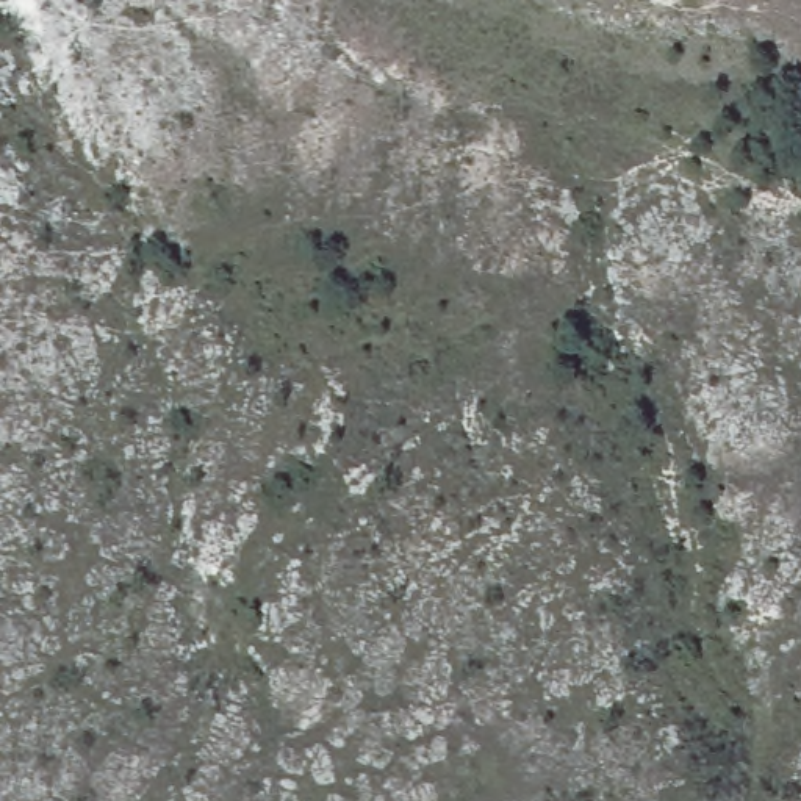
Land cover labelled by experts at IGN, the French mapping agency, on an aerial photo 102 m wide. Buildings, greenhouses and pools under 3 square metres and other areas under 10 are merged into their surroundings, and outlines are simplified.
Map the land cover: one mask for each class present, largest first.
<instances>
[{"label":"herbaceous vegetation","instance_id":"1","mask_svg":"<svg viewBox=\"0 0 801 801\"><path fill-rule=\"evenodd\" d=\"M344 6H350V13H357V22L369 19L379 25L404 28V38L416 44V53H426V69L435 75V81L447 72H454L457 78H494V88L485 100H501L504 116L497 122L501 128H516L519 160L526 166H535L554 185L566 188L579 210L573 232L563 241L566 269L557 275L472 272L469 260L457 250V235L463 232V213L457 210V200L429 203L422 185H413L410 191L397 194V203H407V213L388 222V153L401 147V138L375 144L379 169L372 172L366 194L350 200L347 207H325L319 194L307 191L304 178L297 185H288L275 175V188L260 194L244 191L241 185H219L216 178L203 175L207 194L191 197V213L210 219V225L188 232V247H178L163 232L156 213H131L128 207L106 210V188L119 181L116 153H110L103 166H88L81 141L72 144V153H63L56 147V116L63 113L56 100L59 88L53 84L41 94L19 91V78L31 69L25 44L28 31L22 28L19 16L0 9V47L13 50L16 59V69L9 72V97L16 103H6L0 113V225L25 235L38 247H116L125 257L113 288L97 300H91L81 282L69 278L25 275L13 282L16 294H34L38 288H50V307L34 304V313H44L53 322L84 316L88 325L110 329V341L94 344L100 357L97 397H88V382H75L78 401L72 426L84 429L88 435V444H78V451H84L88 460H110L122 476L110 507H94L78 519V526H84L88 532L103 516L138 513L144 535H163L147 566L160 576V585L175 588L172 607L181 620V645L216 635V648L197 651L191 660L144 654L138 641L147 629V613L153 610L156 585H150L141 594H128L122 607H113L110 598H100V585H88L84 598H94V607H84L78 601L72 607H59L56 613L59 651H41L44 670L72 666L75 654L84 651L103 660H119V670H106V663L100 660L78 666L84 682L75 685L69 695H75V704L84 717H91L94 704L103 713L106 732L94 735V748L78 751L84 763L72 779L75 785H94V773L103 770V760L110 754H138L147 760H160L163 770L156 776H141L138 782L141 801H357L360 792L354 785H344V776H369L372 792H379L385 779H401L404 785L410 779V767L401 760H388V767L382 770L360 763V751L366 742V735L360 732L347 735L344 748H338L332 742V729L344 723V710H329L325 717H319L316 726L300 729L272 707L269 676L275 670H322V676L332 685L329 695L344 698V679L363 670V660L354 654L357 641L379 645V638H391L394 648L404 651L407 641L432 645L438 641V635H447L451 670L463 666L469 657H482L485 670L476 673L469 682L451 673L447 695L457 707L451 726H426V732L416 738L382 742V748L394 754H413L416 748H429L435 738H444L447 757L441 763L422 767V779L435 785V801H801V582L782 598L779 620L767 623L770 635L763 638V651L770 657V685L773 691H782V701L773 704V710L751 713L748 663L729 638V626L738 623V616L729 613L726 604H717L720 588L732 576L735 560L742 557V535L738 523L717 516V507L710 513H701V501L717 504L723 494L748 491L751 507L763 516L770 513L773 501L782 504V516L795 519L792 554L801 563V438H785L782 454L773 460L767 472H745L742 466H707V479H698L688 469L679 472V519L688 529H695L704 541L701 551H691L695 573H688V610L698 616V629L676 632L673 638L651 645L648 657L641 651L626 654L623 673L629 688L660 698V713L654 717L651 707H641L645 720L626 713L616 732L604 735L610 707H598V691L591 685H573L566 698L554 701H544V688L554 679H560V670L588 673L591 657L601 648L613 645L610 623L604 613H598V598L601 591H632V538H620V544L598 541V551H588V535L576 541L563 538V526L569 519H585L588 513L601 510L598 479L579 466V460L563 457V451L548 438V429L504 435V429H494V422L479 416V429H482V435H485V441H488V447H476V444H469V435H466V429H463V407H466V404H476V407H479V397L488 394L491 401L523 407L526 375H532L535 369L544 379V385H569L573 379H585V363L601 366V354L591 350L585 341L591 338V316L573 307L585 300L588 285H594L598 291L607 282V247L623 244V228L610 219V210L616 203V175L660 153L654 144H645L648 135L670 141L676 131L691 141L701 131H707L723 116V110L732 106L738 94H745V88L757 78L748 50L751 41H757L745 22L735 25L742 38H726L713 25H707V34H688L682 41L685 53L679 56V63H673V38L663 28H654L651 22H635L620 34L601 25H585L582 19H566L541 0H341ZM144 272H156L160 285L166 288H188L197 297L222 300V310L216 313L213 325L216 341L235 335V347H244L247 357L260 354V375H269L278 388L269 404V413L263 416V432H250V426L238 422L232 404H241L244 394L228 385L219 388L216 404L191 410L194 426H185L175 410H181L188 397L203 401L210 388H181V382H166V369L156 357V338L144 335L138 322L141 307H135V294H141ZM322 366H332L335 379L344 385V394L332 404V410L344 413L341 426L347 429V435H332L325 454H316L313 463H307L304 457H285L278 469H266L275 444H304L319 438L316 404L325 388ZM160 401H172L175 410L163 422L169 429V454L163 463V476L169 479V501L175 504V519H169L166 491L150 504L138 501V485H150L153 457H125V447L135 441V426L122 419L119 410L135 407L138 419H147L160 407ZM354 466H366L375 476L366 494H350L344 485V476ZM238 482H247V494L257 504V526L247 535V541L235 551V557L222 560V566L235 573V582L222 585L216 576H210L207 623L197 626L191 616V598L194 579L200 573L194 566L172 563L175 538L181 532V504L185 497L194 501V538L203 541L207 526L219 516H225L222 535H235L241 513L232 501V488ZM523 501H529V504H532V510H529V513H526V519L519 523V541H516V544H507L504 551H497L491 538H497V535L510 532V523L516 519V510L523 507ZM288 560H300V582L307 585V594H300L297 601V623L282 629V641H263V607L253 610V598H260L263 604L282 601L278 573L288 569ZM241 682L247 685L241 717L247 723V735L260 742V751H244L241 757L222 754L200 760L197 754L210 742L213 717L225 710L228 691ZM307 748H322L332 757V782L319 785L313 776H291L278 770L275 754L297 763L307 757ZM754 197L748 188H726L713 200L707 191L695 197L704 210V219L710 222L713 266H723L726 291H735L742 297L738 310L763 329V366L757 375L770 385L776 382V375H785L788 413L801 419V369L792 360H779L776 325L782 316H801V297H795V304H782L767 291L763 282H751L738 272V263L748 250L745 207Z\"/></svg>","mask_w":801,"mask_h":801},{"label":"bare soil","instance_id":"2","mask_svg":"<svg viewBox=\"0 0 801 801\"><path fill-rule=\"evenodd\" d=\"M0 9L19 16L22 28L28 31L25 44L31 69L19 78V91L41 94L53 84L59 88L56 100L63 113L56 116V147L63 153H72V144L81 141L88 166H103L110 153H116L119 181L106 188V210L128 207L131 213H156L163 232L178 247H188V232L210 225V219L191 213V197L207 194L203 175L216 178L219 185H241L244 191L260 194L275 188V175L288 185H297L304 178L307 191L319 194L325 207H347L350 200L366 194L372 172L379 169L375 144L401 138V147L388 153V222L407 213V203H397V194L410 191L413 185H422L429 203L457 200V210L463 213V232L457 235V250L469 260L472 272L557 275L566 269L563 241L573 232L579 210L566 188L554 185L535 166H526L519 160L516 128H501L497 122L504 116L501 100H485L494 88V78H457L454 72H447L435 81V75L426 69V53H416V44L404 38V28L379 25L369 19L357 22V13H350V6H344L341 0H0ZM566 19H582L585 25H601L620 34L635 22H651L654 28H663L673 38V63H679V56L685 53L682 41L688 34H707V25H713L726 38H742L735 25L745 22L757 41H773L782 59L801 63V0H541ZM16 69V59L13 50L0 47V113L6 103H16L9 97V72ZM645 144H654L660 153L616 175V203L610 210V219L623 228V244L607 247V282L616 300L610 335L616 338L623 354L635 350L645 357L638 410L648 432L663 435V444L657 451L641 447V457L648 460L638 463V476L654 482V494L660 501V516L666 519L670 538L682 541L685 551H701L704 541L695 529H688L679 519V472L688 469L698 479H707V466H742L745 472H767L773 460L782 454L785 438H801V419L788 413L785 375H776V382L770 385L757 375L763 366V329L738 310L742 297L735 291H726L723 266H713L710 222L704 219V210L695 197L707 191L713 200L726 188H748L754 197L745 207L748 250L738 263V272L751 282H763L767 291L782 304H795V297H801V194H792L788 185L763 191L757 178L729 169L710 153L701 160L704 175L691 178L685 175L682 163L691 156V141L676 131L670 141L648 135ZM125 257L116 247H38L25 235L0 225V801H141L138 782L141 776H156L163 770L160 760H147L138 754H110L103 760V770L94 773V785H75L72 779L84 763L78 751L94 748V735L106 732L103 713L94 704L91 717H84L75 704V695H69L75 685L84 682L78 666L100 660L106 663V670H119V660H103L84 651L75 654L72 666L44 670L41 651H59L56 613L59 607H72L78 601L84 607H94V598H84L88 585H100V598H110L113 607H122L128 594H141L150 585H156L153 610L147 613V629L138 641L144 654L191 660L197 651L216 648V635L181 645V620L172 607L175 588L160 585V576L147 566L163 535H144L138 513L103 516L88 532L84 526H78V519L94 507L84 497V479L78 476L88 460L84 451H78V444H88V435L84 429L72 426L78 401L75 382H88V397H97L100 357L94 344L110 341V329L88 325L84 316L53 322L44 313H34V304L50 307V288H38L34 294H16L13 282L25 275L69 278L81 282L91 300H97L113 288ZM135 307H141L138 322L144 335L156 338V357L166 369V382H181V388H210L203 401L188 397L181 410H175L185 426H194L191 410L216 404L219 388L228 385L244 394L241 404H232L238 422L250 426V432H263V416L269 413V404L278 388L269 375H260V354L247 357L244 347H235V335L216 341L213 325L216 313L222 310V300L197 297L188 288H166L160 285L156 272H144L141 294H135ZM779 360H792L801 369V316H782L776 325ZM325 388L316 404L319 438L304 444H275L266 469H278L285 457H304L307 463H313L316 454H325L332 435H347V429L341 426L344 413L332 410V404L344 394V385L335 379L332 366H322ZM175 410L172 401H160V407L147 419H138L135 407L119 410L122 419L135 426V441L125 447V457H153L150 485H138V501L150 504L166 491L169 519H175V504L169 501V479L163 476V463L169 454V429L163 422ZM463 429H466V435H469V444H476V447H488V441H485V435H482V429H479V407H476V404H466V407H463ZM375 476L366 466H354L344 476V485L350 494H366ZM232 501L241 513L235 535H222L225 516H219L207 526L203 541L194 538V501L185 497L181 504V532L175 538L172 563L194 566L200 573L194 579L191 598V616L197 626L207 623L210 576H216L222 585L235 582V573L222 566V560L235 557V551L247 541V535L257 526V504L247 494V482H238L232 488ZM748 491L723 494L717 504L701 501V513H710L717 507V516L738 523L742 535V557L735 560L732 576L720 588L717 604H726L729 613L738 616V623L729 626V638L748 663L751 713L773 710V704L782 701V691H773L770 685V657L763 651V638L770 635L767 623L779 620L782 598L801 582V563L792 554L795 519L782 516V504L773 501L770 513L763 516L751 507ZM529 510H532V504H529V501H523V507L516 510V519L510 523V532L497 535V538H491L497 551H504L507 544H516V541H519V523L526 519V513H529ZM300 594H307V585L300 582V560H288V569L278 573L282 601L263 604L260 598H253V610L263 607V641H282V629L297 623V601ZM613 645L601 648L591 657L588 673L560 670V679H554L544 688V701H554L566 698L573 685H591L598 691V707H610L604 735L616 732L626 713L645 720L641 707H651L654 717L660 713V698L629 688L623 673L626 654L641 651L648 657L651 645L648 638H626L616 623H610ZM354 654L363 660V670L344 679V698L329 695L332 685L322 676V670H275L269 676L272 707L300 729L316 726L319 717H325L329 710H344V723L332 729V742L338 748H344L347 735L360 732L366 735V742L360 751V763L382 770L388 767V760H401L410 767V779L404 785L401 779H385L379 792H372L369 776H344V785H354L360 792L357 801H435V785L422 779V767L441 763L447 757L444 738H435L429 748H416L413 754H394L382 748V742L416 738L426 732V726H451L457 707L447 695L451 673L469 682L476 673L485 670L482 657H469L463 666L451 670L447 635H438V641L432 645L407 641L404 651L394 648L391 638H379V645L357 641ZM247 685L241 682L228 691L225 710L213 717L210 742L197 754L200 760L222 754L241 757L244 751H260V742L247 735V723L241 717ZM278 770L291 776H313L319 785L332 782V757L322 748H307V757L297 763L275 754Z\"/></svg>","mask_w":801,"mask_h":801},{"label":"brushwood","instance_id":"3","mask_svg":"<svg viewBox=\"0 0 801 801\"><path fill-rule=\"evenodd\" d=\"M591 316V338L585 341L591 350L601 354V366L585 363V379H573L569 385H544V379L535 369L532 375H526L523 407L491 401L488 394L479 397V416L494 422V429H504V435L548 429V438L563 451V457L579 460V466L598 479L601 510L588 513L585 519H569L563 526V538L576 541L588 535V551H598V541L620 544V538H632V591H601L598 598V613H604L610 623H616L626 638H648L651 645L673 638L676 632L698 629V616L688 610V573H695L691 551H685L682 541L670 538L666 519L660 516V501L654 494V482L638 476V463L648 460L641 457V447L657 451L663 444V435L648 432L638 410L645 357L635 350L623 354L616 338L610 335L616 300L607 282L598 291L594 285H588L585 300L573 307ZM78 476L84 479V497L94 507H110L122 476L110 460H88Z\"/></svg>","mask_w":801,"mask_h":801},{"label":"coniferous trees","instance_id":"4","mask_svg":"<svg viewBox=\"0 0 801 801\"><path fill-rule=\"evenodd\" d=\"M757 78L745 88V94H738L732 106L723 110V116L707 131H701L691 141V156L682 163L685 175L691 178L704 175L701 160L710 153L729 169L757 178L763 191L788 185L792 194H801V63L782 59L773 41H751L748 50Z\"/></svg>","mask_w":801,"mask_h":801}]
</instances>
